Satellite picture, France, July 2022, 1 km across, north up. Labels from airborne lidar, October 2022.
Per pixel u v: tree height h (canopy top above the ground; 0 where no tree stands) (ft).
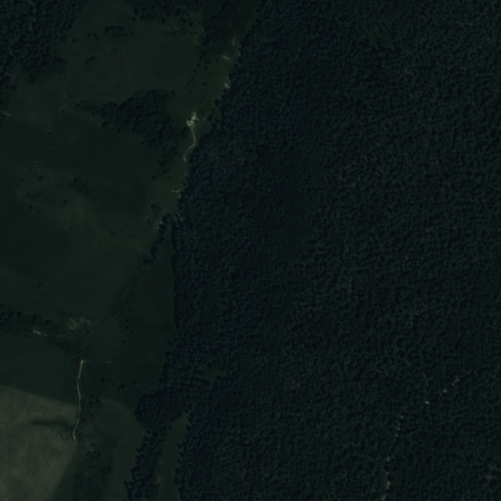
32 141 0
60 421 0
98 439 0
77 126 0
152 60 0
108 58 0
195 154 32
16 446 0
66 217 0
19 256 0
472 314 47
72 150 0
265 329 91
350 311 83
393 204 91
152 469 51
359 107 80
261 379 92
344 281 66
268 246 83
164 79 0
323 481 60
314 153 89
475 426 106
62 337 0
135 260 0
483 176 74
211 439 96
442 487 50
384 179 55
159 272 0
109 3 0
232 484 66
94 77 0
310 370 21
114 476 0
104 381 45
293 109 95
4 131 0
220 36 81
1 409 0
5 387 0
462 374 52
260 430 64
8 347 0
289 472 50
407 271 29
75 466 0
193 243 86
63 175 0
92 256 0
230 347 60
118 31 29
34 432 0
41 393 0
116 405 0
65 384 0
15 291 0
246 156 51
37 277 0
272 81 81
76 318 0
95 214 0
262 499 68
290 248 94
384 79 31
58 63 73
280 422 50
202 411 54
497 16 76
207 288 73
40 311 0
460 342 37
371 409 65
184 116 0
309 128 77
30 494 0
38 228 0
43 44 91
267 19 109
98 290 0
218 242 85
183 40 0
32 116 0
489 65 24
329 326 55
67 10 95
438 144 81
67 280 0
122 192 0
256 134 106
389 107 24
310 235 79
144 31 0
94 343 0
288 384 53
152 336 0
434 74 70
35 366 0
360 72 58
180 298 62
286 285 72
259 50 37
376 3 97
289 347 77
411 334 103
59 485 0
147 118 91
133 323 0
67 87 0
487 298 58
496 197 114
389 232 75
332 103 102
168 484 0
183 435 0
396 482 86
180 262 81
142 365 0
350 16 76
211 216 102
